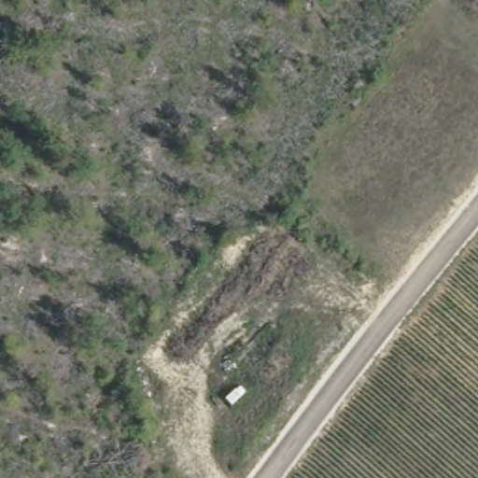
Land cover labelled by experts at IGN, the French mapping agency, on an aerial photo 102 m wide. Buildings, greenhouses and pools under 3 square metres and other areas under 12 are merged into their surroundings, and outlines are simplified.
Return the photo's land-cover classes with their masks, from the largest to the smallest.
<instances>
[{"label":"coniferous trees","instance_id":"1","mask_svg":"<svg viewBox=\"0 0 478 478\"><path fill-rule=\"evenodd\" d=\"M429 0H0V278L9 274H32L41 282L49 284L65 282L75 276L73 269H84L88 278L84 288L97 291V297L84 308L63 304V314L67 319V325L73 330V340L80 360L71 364L69 373L65 377H60L58 381L54 379L50 370L41 373L39 377L41 385L47 388L49 405L52 401L60 400L63 405H69L73 409L67 415L62 413L54 416L47 422L49 429L41 433L43 439H50V446L56 456L54 463H43L39 467L41 472H45L43 478H189L187 474L177 471L176 452L168 444V439L176 435V426H181L183 411L194 405L196 390L183 387L172 390L149 368L144 357L148 349H153V344L161 336L162 330H166L177 314V302L187 297L185 291L190 286H198L207 269L213 265V261L222 256V250L226 246L233 245L239 237L252 232L254 226L258 228V232L263 233L267 226H284V230H289V235L302 245L316 241L317 248L325 254L338 250L340 239L332 224L323 220L314 228V224L308 220L316 213L319 200L302 198V190L306 189L310 179H317L321 162L336 148V142H344L347 134L351 133V123L362 114V110L372 101L373 95H377L390 84L392 71L405 56L409 41H413L416 32H420L426 21H431L433 17L424 13V7ZM456 2L467 19L471 17L474 9H478V0H450Z\"/></svg>","mask_w":478,"mask_h":478},{"label":"herbaceous vegetation","instance_id":"2","mask_svg":"<svg viewBox=\"0 0 478 478\"><path fill-rule=\"evenodd\" d=\"M424 13L433 17L431 21H426L420 32H416L413 41H409L405 56L392 71L390 84L377 95H373L372 101L362 110V114L351 123V133L347 134L344 142H336V148L321 162L317 179H310L306 189L302 190V198L319 200L316 213L308 220L314 224V228L323 220L332 224L340 239L338 250L325 254L317 248L316 241L302 245L289 235V230H284V226H267L263 233L258 232V228L254 226L252 232L256 235L254 241L245 246L235 265H228L222 256L213 261V265L207 269L198 286H190L185 291L187 297L177 302V314L166 330L172 334L164 345L166 358L172 362H192L198 357L202 344L209 336H213V332L224 319H228L232 314H237L243 319L241 327L228 332V336L222 342L220 353L209 362V368L205 373L207 403L211 405L213 416L211 454L215 457L218 469L228 478H245L248 471L256 465L258 457L274 443L280 429L286 426L289 418L299 409V405L321 377V373L329 368L330 362L353 338V334L366 321V317L370 316L385 289L390 288L392 282L400 276L401 269L409 263L416 248L424 245L429 235L441 226L444 218L448 217L450 207L454 205V200L465 190L471 189V183L478 174V9H474L471 17L467 19L456 2L450 0H429L424 7Z\"/></svg>","mask_w":478,"mask_h":478},{"label":"vineyard","instance_id":"3","mask_svg":"<svg viewBox=\"0 0 478 478\"><path fill-rule=\"evenodd\" d=\"M463 250L454 263L420 299L413 312L405 316L401 327L398 325L388 332L383 344L375 349L372 358L358 372L357 379L349 388H345L340 400L330 407L329 413L319 422L314 433L302 444L297 457L291 461L295 469L289 472L288 478H478V226L461 245Z\"/></svg>","mask_w":478,"mask_h":478},{"label":"clear cut","instance_id":"4","mask_svg":"<svg viewBox=\"0 0 478 478\"><path fill-rule=\"evenodd\" d=\"M75 276L65 282L49 284L41 282L32 274H9L0 278V478H43L45 472H41L39 467L43 463H54L56 456L50 446V439H43L41 433L49 429L47 422L54 416L62 413L67 415L73 409L69 405H63L60 400L52 401L49 405L47 388L41 385L39 377L41 373L50 370L54 379L58 381L60 377H65L69 373L71 364L80 360L73 340V330L67 325V319L63 314V304L84 308L97 297V291L84 288L88 278L84 269H73Z\"/></svg>","mask_w":478,"mask_h":478},{"label":"pervious surface","instance_id":"5","mask_svg":"<svg viewBox=\"0 0 478 478\"><path fill-rule=\"evenodd\" d=\"M478 194V174L471 183V189L465 190L454 200V205L450 207L448 217L444 218L441 226L429 235L424 245L416 248L409 263L401 269L400 276L392 282L390 288L385 289L370 316L366 317V321L353 334V338L330 362L329 368L321 373V377L299 405V409L289 418L286 426L280 429L274 443L258 457L256 465L248 471L245 478H254L261 465L267 461V457L271 456L274 448L299 420L304 409L316 398L317 392L329 381L332 372L355 347L360 336L372 327L373 321L387 306V302L400 291L401 286L409 280V276L415 273L420 261L428 256L429 250L439 243L446 230L456 222L457 217ZM256 235L252 232L239 237L233 245L226 246L222 250V256L228 265H235L245 246L254 241ZM243 319L237 314H232L228 319H224L213 332V336H209L202 344L198 357L192 362H172L166 358L164 345L172 334L166 330H162L161 336L153 344V349H148L144 357L149 368L172 390L183 387L196 390L194 405L183 411L181 426H176V435L168 439V444L176 452L177 471L187 474L189 478H228L218 469L215 457L211 454L213 416L211 405L207 403L205 373L209 368V362L220 353L222 342L228 336V332L241 327Z\"/></svg>","mask_w":478,"mask_h":478},{"label":"impervious surface","instance_id":"6","mask_svg":"<svg viewBox=\"0 0 478 478\"><path fill-rule=\"evenodd\" d=\"M478 226V194L457 217L456 222L446 230L439 243L429 250L428 256L420 261L415 273L409 276V280L401 286L400 291L387 302V306L373 321L372 327L360 336L355 347L332 372L329 381L317 392L316 398L304 409L299 420L274 448L271 456L267 457V461L261 465L254 478H288L289 472L295 469L291 461L297 457L302 444L314 433L319 422L329 413L330 407L340 400L345 388H349L357 379L358 372L372 358L375 349L383 344L388 332L398 325L401 327L405 316L413 312L420 299L454 263L463 250L461 245Z\"/></svg>","mask_w":478,"mask_h":478}]
</instances>
